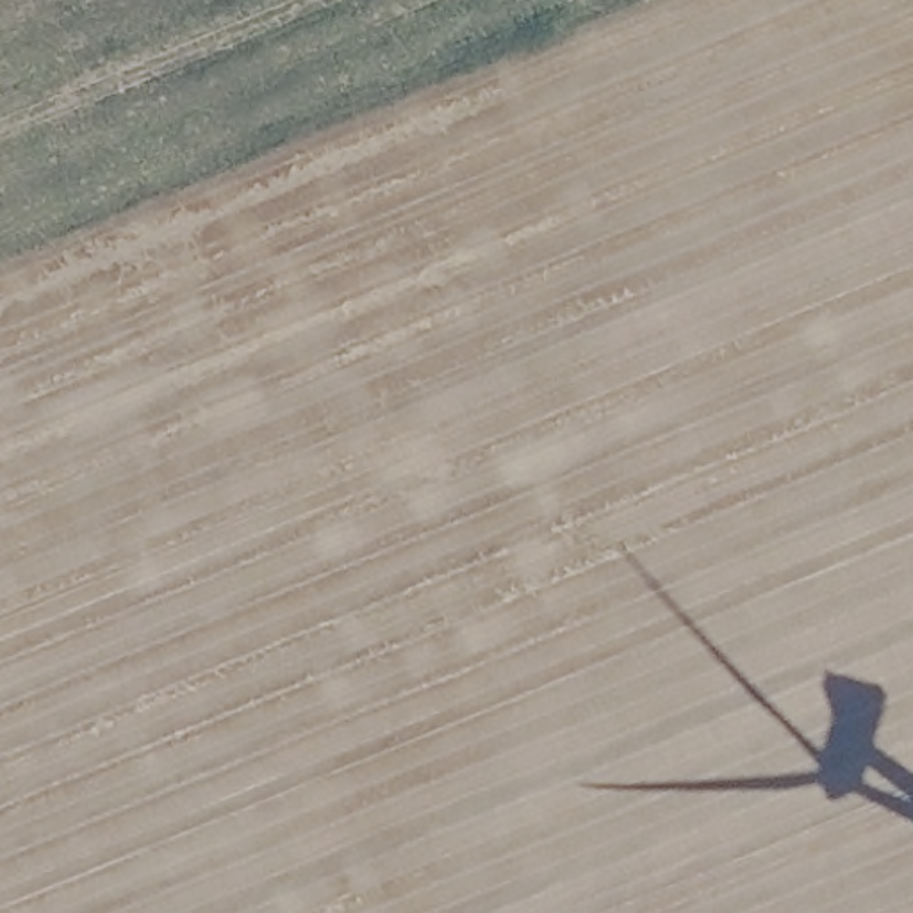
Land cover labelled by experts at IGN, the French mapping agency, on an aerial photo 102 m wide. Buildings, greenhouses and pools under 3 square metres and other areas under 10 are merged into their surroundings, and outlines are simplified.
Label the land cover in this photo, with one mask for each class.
<instances>
[{"label":"agricultural land","instance_id":"1","mask_svg":"<svg viewBox=\"0 0 913 913\"><path fill-rule=\"evenodd\" d=\"M0 913H913V0H0Z\"/></svg>","mask_w":913,"mask_h":913}]
</instances>
